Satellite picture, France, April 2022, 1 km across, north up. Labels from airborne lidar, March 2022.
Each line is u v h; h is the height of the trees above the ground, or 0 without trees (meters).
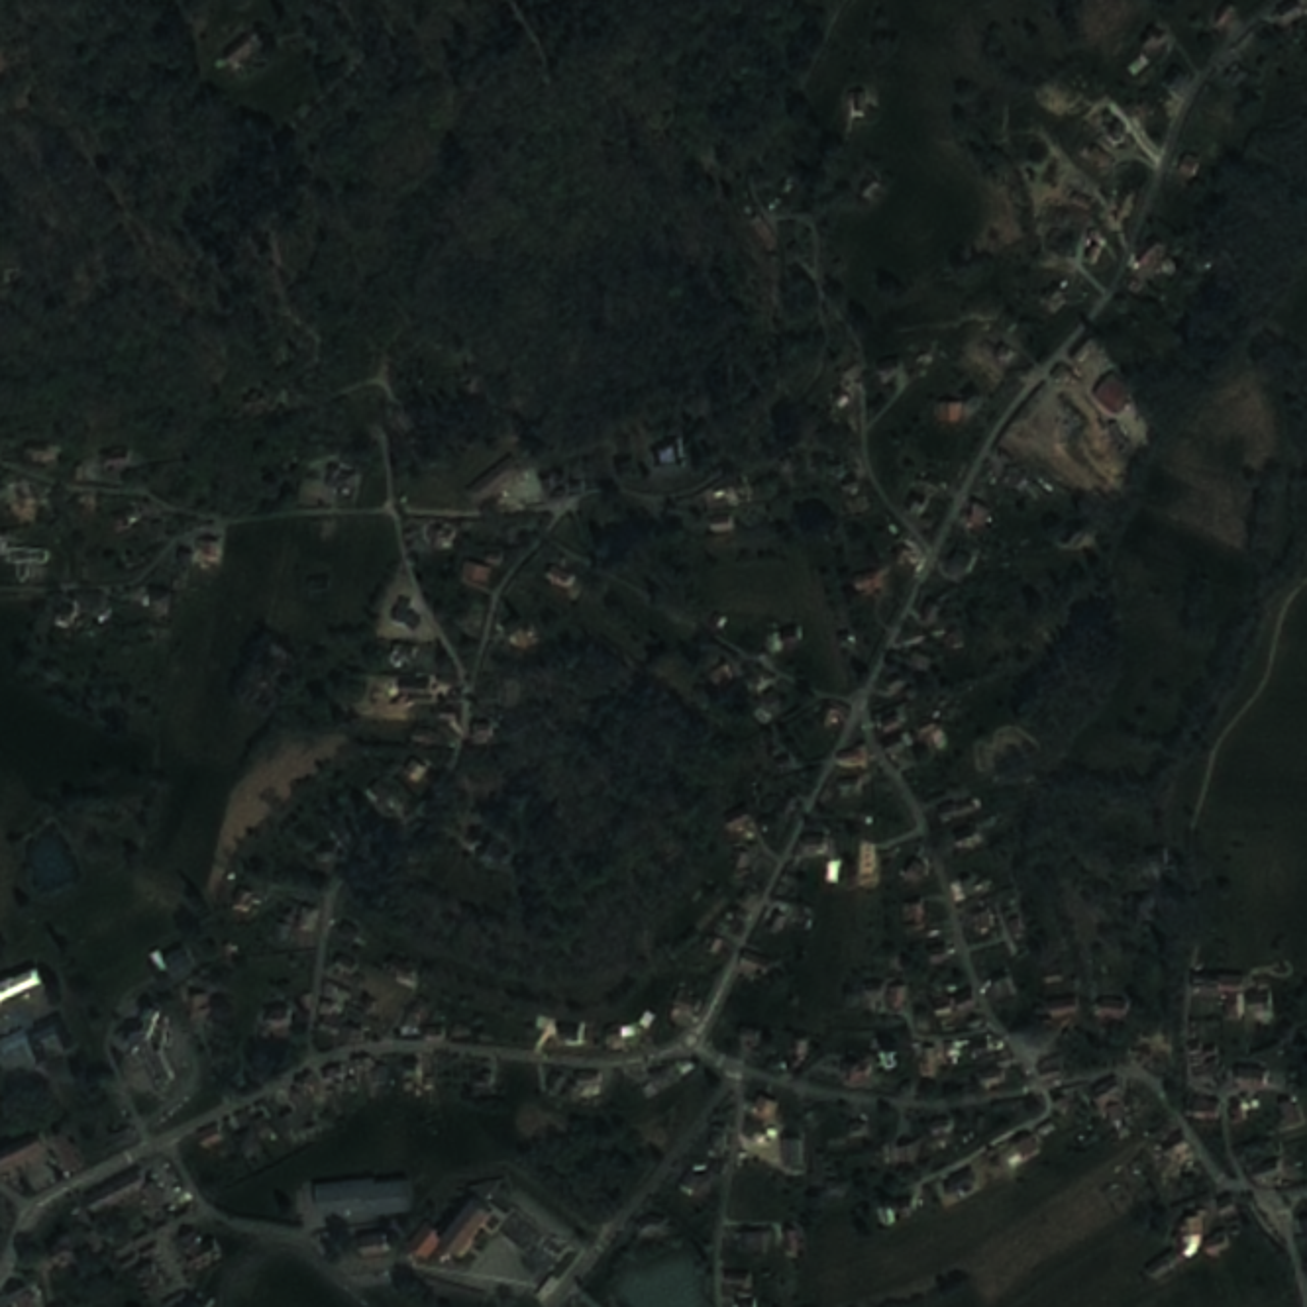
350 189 25
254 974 0
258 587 0
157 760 0
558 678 26
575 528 7
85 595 15
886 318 0
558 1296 0
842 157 15
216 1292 0
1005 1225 0
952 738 0
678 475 0
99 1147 0
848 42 0
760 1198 0
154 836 10
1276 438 0
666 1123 0
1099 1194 0
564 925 20
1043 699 25
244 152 25
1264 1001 0
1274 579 19
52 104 18
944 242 0
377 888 18
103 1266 17
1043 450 0
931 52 0
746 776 0
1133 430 0
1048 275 0
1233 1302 0
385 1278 0
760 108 21
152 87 24
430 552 0
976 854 0
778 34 24
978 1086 13
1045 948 20
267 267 17
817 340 22
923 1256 0
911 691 8
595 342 28
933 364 0
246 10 0
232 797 0
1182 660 0
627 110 23
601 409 28
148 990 0
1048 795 25
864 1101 0
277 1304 0
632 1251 7
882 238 0
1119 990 0
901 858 0
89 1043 0
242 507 15
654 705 29
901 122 0
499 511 21
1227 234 24
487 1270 0
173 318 22
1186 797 0
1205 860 15
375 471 10
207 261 8
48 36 18
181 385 23
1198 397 19
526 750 31
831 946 0
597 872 27
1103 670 20
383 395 0
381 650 18
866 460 0
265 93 0
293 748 0
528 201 23
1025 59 0
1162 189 0
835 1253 0
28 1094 24
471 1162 0
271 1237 0
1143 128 0
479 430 20
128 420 14
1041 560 0
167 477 5
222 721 0
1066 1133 0
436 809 18
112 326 33
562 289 23
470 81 18
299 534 0
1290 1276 11
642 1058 0
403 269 15
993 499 0
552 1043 0
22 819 0
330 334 9
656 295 30
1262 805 0
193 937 26
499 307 22
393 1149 0
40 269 21
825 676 0
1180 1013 16
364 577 0
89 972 0
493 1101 8
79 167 32
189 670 0
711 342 27
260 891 0
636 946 21
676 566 18
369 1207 0
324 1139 0
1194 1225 0
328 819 9
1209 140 0
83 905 0
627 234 23
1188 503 0
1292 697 0
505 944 15
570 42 22
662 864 24
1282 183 24
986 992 0
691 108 24
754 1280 0
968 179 0
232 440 26
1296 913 0
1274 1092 0
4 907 0
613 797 24
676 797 29
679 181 24
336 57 15
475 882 0
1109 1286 0
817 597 0
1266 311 22
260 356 21
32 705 0
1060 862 14
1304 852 0
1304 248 24
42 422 9
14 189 15
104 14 16
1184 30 0
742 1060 0
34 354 26
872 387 9
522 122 14
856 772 0
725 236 23
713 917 0
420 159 24
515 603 0
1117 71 0
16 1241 0
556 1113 0
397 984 0
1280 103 0
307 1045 15
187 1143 0
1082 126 0
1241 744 0
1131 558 0
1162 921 15
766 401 28
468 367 8
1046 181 0
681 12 26
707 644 16
